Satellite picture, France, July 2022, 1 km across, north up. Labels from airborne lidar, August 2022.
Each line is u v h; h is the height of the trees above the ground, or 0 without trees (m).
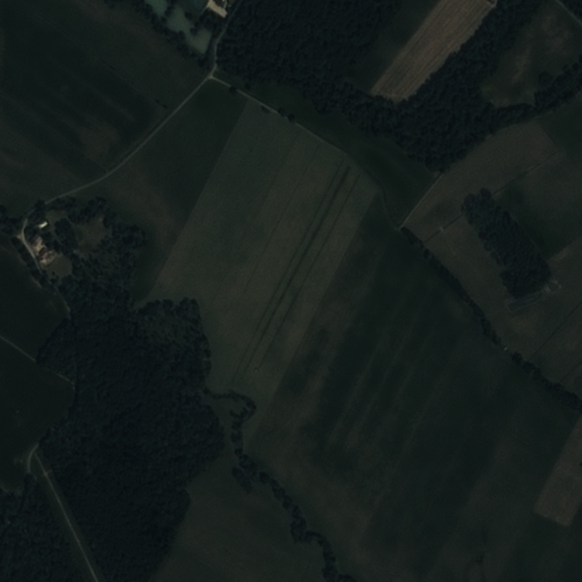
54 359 22
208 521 0
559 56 0
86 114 0
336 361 0
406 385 0
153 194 0
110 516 15
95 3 0
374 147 0
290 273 0
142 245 18
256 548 0
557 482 0
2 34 0
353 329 0
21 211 0
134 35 0
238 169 0
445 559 0
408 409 0
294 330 0
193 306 19
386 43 0
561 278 0
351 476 0
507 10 21
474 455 0
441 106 26
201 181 0
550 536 0
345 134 0
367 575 0
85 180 0
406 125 24
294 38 17
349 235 0
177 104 0
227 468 0
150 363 30
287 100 0
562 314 0
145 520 9
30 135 0
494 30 18
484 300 0
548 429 0
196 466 20
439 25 0
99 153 0
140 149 0
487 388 0
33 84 0
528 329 0
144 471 19
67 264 0
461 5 0
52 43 0
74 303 23
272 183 0
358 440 0
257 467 16
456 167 0
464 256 0
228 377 0
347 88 18
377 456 0
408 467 0
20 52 0
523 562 0
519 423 0
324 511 0
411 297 0
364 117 15
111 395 29
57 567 26
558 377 0
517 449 0
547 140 0
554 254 0
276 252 0
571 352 0
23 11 0
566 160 0
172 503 22
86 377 22
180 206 0
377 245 0
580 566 0
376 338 0
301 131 0
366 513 0
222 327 0
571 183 0
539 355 0
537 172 0
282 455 0
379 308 0
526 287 21
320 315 0
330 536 0
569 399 20
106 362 25
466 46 12
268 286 0
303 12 21
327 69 26
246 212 0
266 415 0
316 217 0
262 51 21
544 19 0
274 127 0
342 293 0
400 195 0
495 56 22
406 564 0
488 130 15
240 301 0
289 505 17
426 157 9
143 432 30
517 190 0
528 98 0
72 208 16
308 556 0
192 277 0
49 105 0
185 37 11
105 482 18
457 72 17
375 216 0
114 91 0
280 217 0
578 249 0
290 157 0
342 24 27
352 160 0
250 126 0
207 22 13
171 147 0
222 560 0
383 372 0
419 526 0
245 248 0
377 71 0
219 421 22
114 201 0
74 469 24
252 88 17
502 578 0
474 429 0
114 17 0
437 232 0
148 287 0
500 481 0
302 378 0
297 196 0
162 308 24
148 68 0
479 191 0
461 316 0
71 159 0
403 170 0
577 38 0
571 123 0
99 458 15
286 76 12
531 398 0
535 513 0
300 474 0
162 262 0
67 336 23
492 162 0
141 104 0
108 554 23
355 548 0
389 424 0
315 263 0
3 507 14
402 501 0
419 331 0
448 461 0
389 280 0
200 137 0
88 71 0
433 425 0
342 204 0
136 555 21
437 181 0
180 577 0
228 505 0
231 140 0
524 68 0
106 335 30
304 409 0
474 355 0
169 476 21
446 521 0
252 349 0
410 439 0
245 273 0
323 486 0
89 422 27
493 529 0
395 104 19
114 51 0
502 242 31
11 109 0
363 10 27
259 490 0
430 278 0
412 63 0
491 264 0
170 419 31
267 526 0
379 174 0
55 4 0
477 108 22
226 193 0
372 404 0
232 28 15
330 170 0
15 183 0
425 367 0
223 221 0
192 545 0
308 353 0
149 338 22
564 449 0
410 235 14
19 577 26
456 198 0
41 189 0
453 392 0
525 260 31
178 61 0
